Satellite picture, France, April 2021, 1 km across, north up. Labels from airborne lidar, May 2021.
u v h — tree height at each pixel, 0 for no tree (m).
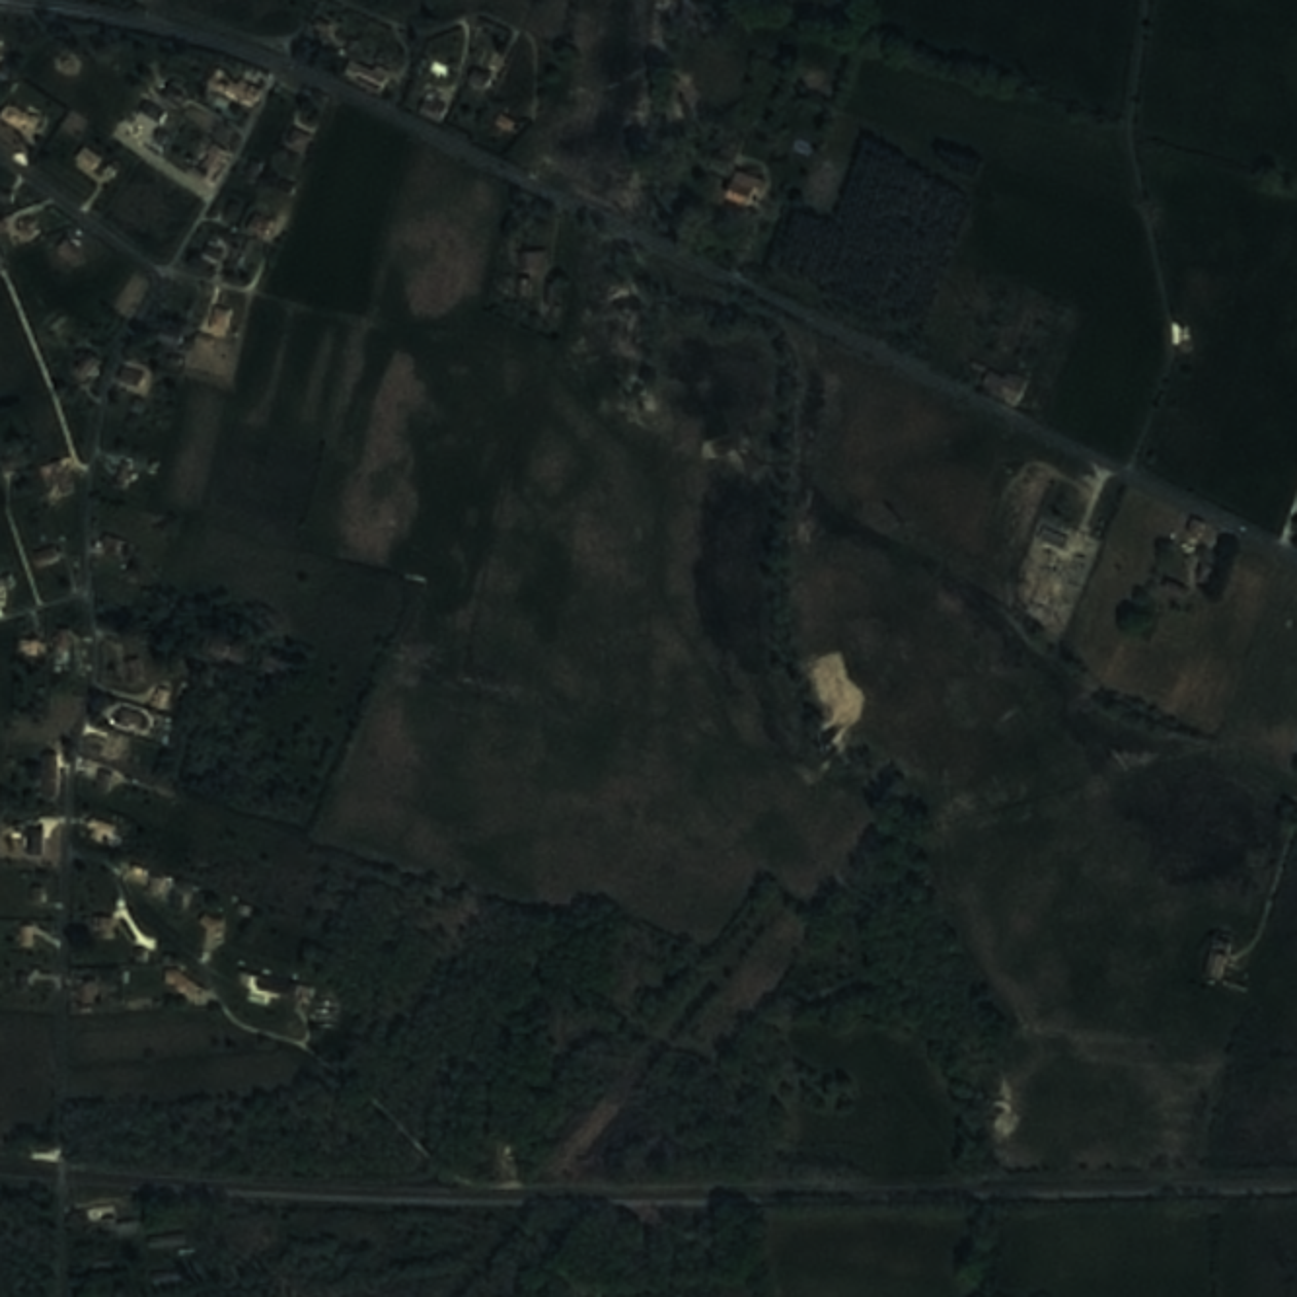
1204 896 0
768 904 15
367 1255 12
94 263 0
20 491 9
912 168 13
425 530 0
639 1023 9
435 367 0
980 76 19
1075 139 0
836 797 0
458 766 0
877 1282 0
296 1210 7
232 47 0
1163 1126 0
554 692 0
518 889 0
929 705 0
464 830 0
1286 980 0
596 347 0
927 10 0
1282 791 0
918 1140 0
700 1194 0
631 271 19
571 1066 12
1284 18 0
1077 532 0
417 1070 13
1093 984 0
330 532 0
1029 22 0
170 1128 8
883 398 0
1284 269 0
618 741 0
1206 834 0
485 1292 11
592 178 0
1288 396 0
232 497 0
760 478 0
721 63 0
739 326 20
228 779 11
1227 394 0
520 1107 22
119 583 0
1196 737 7
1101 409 0
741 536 0
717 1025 9
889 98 0
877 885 23
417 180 0
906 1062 0
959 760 0
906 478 0
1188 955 0
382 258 0
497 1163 0
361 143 0
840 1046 0
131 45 10
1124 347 0
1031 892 0
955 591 0
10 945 7
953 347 0
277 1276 8
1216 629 0
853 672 0
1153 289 0
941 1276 0
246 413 0
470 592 0
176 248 0
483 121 8
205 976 0
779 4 22
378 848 0
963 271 0
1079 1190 0
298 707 0
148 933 0
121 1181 0
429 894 8
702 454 0
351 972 12
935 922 17
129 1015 0
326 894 10
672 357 0
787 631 16
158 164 0
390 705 0
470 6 0
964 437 0
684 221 24
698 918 0
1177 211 0
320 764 7
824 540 0
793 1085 12
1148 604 7
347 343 0
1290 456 0
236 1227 10
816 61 0
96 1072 0
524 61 0
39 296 0
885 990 14
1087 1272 0
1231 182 0
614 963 16
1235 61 0
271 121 0
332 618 0
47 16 17
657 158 29
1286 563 0
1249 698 0
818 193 0
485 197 0
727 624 0
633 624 0
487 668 0
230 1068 0
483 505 0
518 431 0
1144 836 0
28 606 0
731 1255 21
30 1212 10
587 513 0
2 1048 0
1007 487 0
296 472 0
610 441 0
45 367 0
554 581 0
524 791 0
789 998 10
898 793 22
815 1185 15
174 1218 20
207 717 7
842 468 0
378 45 0
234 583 0
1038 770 0
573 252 0
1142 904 0
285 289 0
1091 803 0
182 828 0
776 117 8
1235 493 0
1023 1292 0
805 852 0
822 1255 0
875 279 11
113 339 6
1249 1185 0
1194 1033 0
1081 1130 0
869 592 0
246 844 0
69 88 0
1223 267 0
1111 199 0
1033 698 0
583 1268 22
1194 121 0
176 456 0
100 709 11
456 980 12
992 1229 15
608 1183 17
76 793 0
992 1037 21
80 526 0
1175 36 0
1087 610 0
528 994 24
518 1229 6
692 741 0
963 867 0
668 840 0
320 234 0
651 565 0
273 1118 15
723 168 16
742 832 0
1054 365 0
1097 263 0
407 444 0
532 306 6
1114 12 0
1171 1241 0
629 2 0
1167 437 0
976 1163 15
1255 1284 0
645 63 0
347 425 0
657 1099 9
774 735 0
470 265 0
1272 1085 0
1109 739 0
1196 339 0
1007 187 0
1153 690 0
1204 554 9
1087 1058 0
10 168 0
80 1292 12
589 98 0
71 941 13
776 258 14
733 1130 17
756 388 0
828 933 16
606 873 0
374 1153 16
